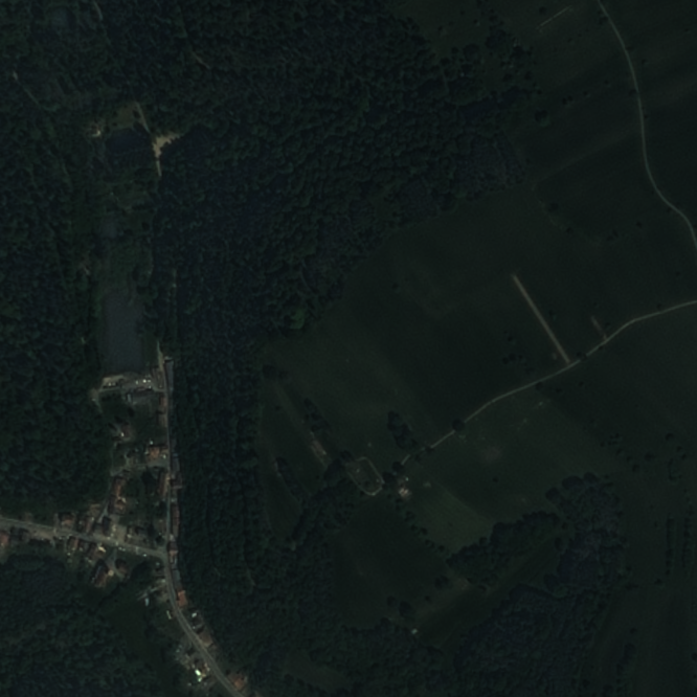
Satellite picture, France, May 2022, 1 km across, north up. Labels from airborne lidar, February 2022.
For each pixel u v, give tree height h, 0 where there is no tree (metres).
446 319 0
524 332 0
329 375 0
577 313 0
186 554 8
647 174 0
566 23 0
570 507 19
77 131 12
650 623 0
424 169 17
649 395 0
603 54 0
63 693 34
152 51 36
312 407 15
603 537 23
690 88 0
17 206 39
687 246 0
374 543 0
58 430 12
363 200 25
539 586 0
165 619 0
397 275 0
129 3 36
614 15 0
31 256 34
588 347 0
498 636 25
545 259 0
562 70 0
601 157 0
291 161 34
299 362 0
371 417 0
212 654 0
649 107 0
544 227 0
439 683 25
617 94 0
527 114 0
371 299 0
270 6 11
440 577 0
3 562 0
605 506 21
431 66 21
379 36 27
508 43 16
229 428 34
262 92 31
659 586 8
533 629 21
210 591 21
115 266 5
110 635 13
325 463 0
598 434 0
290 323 27
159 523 0
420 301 0
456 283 0
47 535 0
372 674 23
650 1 0
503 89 0
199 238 32
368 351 0
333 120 33
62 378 17
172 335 22
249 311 10
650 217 0
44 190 12
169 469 0
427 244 0
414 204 20
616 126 0
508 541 26
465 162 23
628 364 0
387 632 22
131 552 0
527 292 0
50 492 12
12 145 34
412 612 22
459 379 0
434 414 0
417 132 33
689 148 0
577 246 0
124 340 0
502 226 0
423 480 0
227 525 26
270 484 0
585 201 0
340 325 0
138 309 0
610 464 0
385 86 28
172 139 0
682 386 0
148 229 16
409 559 0
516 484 0
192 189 29
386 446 0
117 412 0
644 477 0
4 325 34
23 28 24
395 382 0
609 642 0
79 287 25
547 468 0
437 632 0
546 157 0
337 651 21
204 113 26
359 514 0
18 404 26
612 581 21
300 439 0
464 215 0
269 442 0
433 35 0
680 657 0
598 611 7
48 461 14
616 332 0
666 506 0
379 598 0
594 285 0
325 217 26
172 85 16
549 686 17
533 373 9
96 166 30
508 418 0
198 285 30
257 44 10
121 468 0
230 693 0
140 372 0
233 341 29
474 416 0
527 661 23
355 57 9
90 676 9
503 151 22
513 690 18
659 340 0
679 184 0
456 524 0
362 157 31
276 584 27
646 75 0
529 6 0
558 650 17
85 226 6
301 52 31
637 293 0
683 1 0
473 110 0
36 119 38
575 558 19
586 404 0
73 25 25
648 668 0
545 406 0
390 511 0
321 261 20
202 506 10
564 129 0
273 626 28
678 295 0
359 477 0
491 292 0
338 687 0
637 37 0
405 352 0
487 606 0
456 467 0
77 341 14
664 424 0
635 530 0
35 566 21
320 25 31
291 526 0
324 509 20
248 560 24
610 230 0
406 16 0
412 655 30
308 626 22
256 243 28
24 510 8
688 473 0
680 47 0
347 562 0
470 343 0
